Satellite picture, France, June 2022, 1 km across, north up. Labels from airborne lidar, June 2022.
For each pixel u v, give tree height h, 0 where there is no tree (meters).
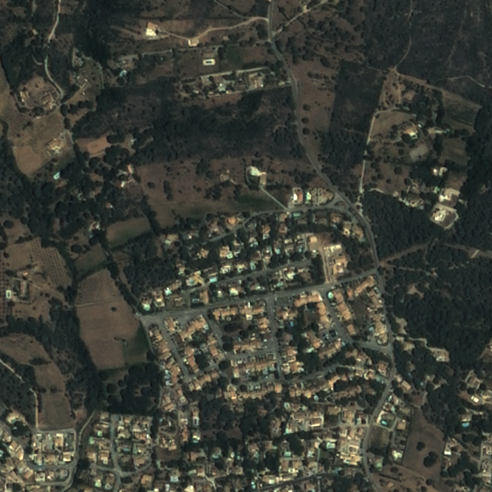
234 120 6
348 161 6
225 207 0
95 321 0
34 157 0
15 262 0
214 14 0
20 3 10
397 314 10
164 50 0
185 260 11
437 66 8
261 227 10
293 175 9
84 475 0
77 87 13
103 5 9
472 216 13
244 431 12
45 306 0
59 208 17
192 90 9
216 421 7
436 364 10
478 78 0
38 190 22
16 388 14
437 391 12
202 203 0
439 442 0
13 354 0
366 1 0
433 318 10
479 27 0
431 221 12
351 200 6
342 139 12
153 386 12
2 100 0
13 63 16
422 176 14
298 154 11
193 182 0
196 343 13
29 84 0
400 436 6
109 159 15
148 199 11
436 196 12
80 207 17
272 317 0
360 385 9
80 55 11
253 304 10
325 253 0
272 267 12
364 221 0
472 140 12
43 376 0
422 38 0
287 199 0
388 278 12
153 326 6
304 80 0
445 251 11
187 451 13
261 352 0
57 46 11
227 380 10
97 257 0
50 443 0
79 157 14
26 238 10
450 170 7
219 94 6
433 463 11
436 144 9
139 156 12
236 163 0
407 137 11
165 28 0
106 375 12
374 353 13
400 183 0
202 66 0
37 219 11
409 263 12
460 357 15
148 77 0
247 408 10
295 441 14
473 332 8
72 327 16
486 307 12
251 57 0
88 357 11
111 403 11
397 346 10
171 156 10
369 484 10
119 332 0
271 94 0
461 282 9
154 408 8
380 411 0
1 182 13
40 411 8
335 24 11
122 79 8
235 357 0
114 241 0
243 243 10
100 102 15
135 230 0
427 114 10
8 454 10
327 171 11
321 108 0
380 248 11
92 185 15
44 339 16
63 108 14
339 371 12
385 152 6
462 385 8
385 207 7
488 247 13
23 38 10
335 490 10
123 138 15
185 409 9
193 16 0
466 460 11
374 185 8
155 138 13
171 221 0
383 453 10
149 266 7
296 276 10
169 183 9
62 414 0
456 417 12
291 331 16
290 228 12
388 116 0
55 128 0
